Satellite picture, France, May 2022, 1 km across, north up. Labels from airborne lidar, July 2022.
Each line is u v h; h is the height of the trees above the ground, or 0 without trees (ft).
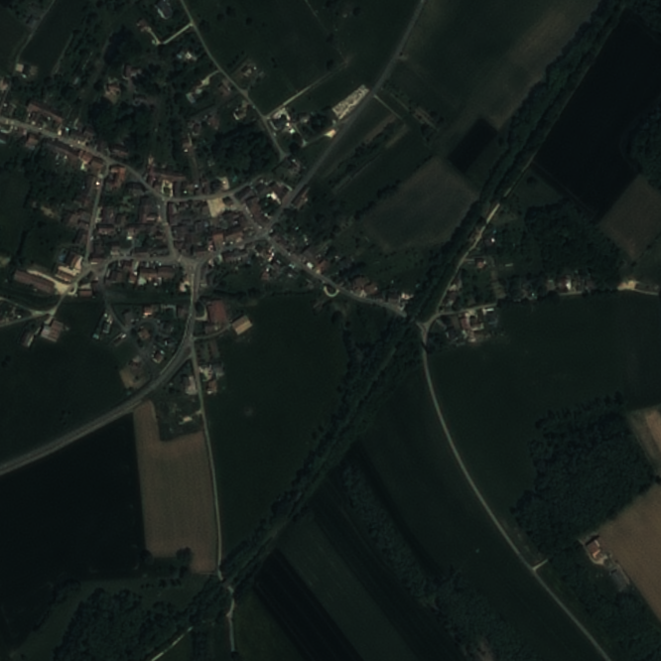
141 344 29
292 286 0
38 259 0
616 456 90
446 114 0
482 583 0
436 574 0
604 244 58
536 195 0
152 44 0
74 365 0
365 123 0
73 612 0
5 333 0
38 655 0
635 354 0
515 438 0
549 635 0
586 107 0
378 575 0
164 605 28
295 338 0
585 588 75
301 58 0
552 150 0
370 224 0
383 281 0
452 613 86
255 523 0
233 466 0
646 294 0
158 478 0
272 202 22
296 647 0
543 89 62
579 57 62
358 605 0
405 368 22
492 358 0
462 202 0
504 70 0
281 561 0
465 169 0
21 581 0
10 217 0
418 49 0
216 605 71
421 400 0
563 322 0
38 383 0
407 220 0
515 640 84
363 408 40
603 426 92
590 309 0
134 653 84
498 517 0
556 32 0
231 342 0
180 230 0
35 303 0
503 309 42
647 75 0
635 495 49
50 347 0
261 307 0
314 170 0
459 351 0
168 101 22
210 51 0
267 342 0
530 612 0
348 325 35
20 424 0
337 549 0
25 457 0
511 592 0
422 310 38
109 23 0
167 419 0
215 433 0
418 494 0
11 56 0
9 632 0
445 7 0
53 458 0
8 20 0
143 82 80
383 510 67
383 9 0
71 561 0
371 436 0
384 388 35
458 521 0
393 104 0
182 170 20
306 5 0
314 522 0
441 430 0
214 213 0
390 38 0
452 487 0
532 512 79
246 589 48
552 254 53
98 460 0
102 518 0
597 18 58
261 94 0
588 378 0
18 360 0
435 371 0
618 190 0
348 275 51
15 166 38
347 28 0
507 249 21
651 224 0
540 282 43
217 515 0
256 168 62
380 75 0
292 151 54
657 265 0
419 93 0
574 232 69
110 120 73
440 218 0
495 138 0
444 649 0
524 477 0
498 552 0
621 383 0
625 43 0
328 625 0
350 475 74
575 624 0
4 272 0
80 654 90
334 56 0
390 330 40
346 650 0
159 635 64
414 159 0
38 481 0
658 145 67
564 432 36
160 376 0
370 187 0
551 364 0
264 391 0
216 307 0
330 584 0
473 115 0
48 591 0
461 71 0
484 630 95
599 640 0
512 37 0
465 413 0
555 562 71
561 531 71
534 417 0
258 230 0
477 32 0
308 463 59
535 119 62
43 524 0
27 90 25
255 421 0
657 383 0
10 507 0
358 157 33
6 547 0
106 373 0
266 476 0
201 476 0
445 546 0
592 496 88
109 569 0
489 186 47
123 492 0
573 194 0
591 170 0
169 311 22
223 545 0
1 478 0
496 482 0
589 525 73
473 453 0
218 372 0
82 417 0
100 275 0
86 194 0
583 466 87
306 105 0
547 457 31
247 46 0
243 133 71
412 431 0
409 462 0
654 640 56
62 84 23
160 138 27
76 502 0
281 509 61
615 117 0
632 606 62
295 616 0
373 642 0
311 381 0
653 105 0
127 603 76
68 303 0
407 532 0
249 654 0
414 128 0
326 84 0
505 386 0
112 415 0
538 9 0
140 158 36
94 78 0
